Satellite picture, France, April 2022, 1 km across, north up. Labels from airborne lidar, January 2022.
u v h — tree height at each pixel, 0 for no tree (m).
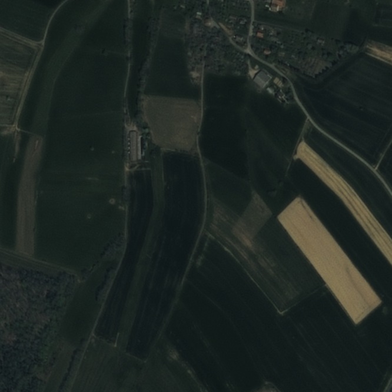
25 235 0
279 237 0
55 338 15
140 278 0
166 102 0
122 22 0
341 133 0
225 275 0
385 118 0
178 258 0
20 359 22
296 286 0
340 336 0
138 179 0
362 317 0
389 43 0
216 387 0
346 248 0
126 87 0
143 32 0
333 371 0
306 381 0
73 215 0
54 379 0
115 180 0
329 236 0
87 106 0
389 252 0
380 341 0
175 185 0
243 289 0
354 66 0
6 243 0
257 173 0
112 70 0
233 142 0
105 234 0
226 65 0
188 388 0
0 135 0
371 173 0
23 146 0
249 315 0
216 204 0
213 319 0
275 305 0
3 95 0
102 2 0
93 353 0
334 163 0
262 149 0
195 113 0
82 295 0
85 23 0
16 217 0
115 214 0
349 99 0
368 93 0
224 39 17
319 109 0
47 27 0
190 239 0
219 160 0
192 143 0
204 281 0
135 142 0
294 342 0
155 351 0
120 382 0
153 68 0
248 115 0
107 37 0
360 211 0
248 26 11
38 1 0
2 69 0
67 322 0
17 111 0
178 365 0
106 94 0
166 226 0
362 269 0
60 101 0
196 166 0
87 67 0
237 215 0
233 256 0
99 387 0
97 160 0
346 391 0
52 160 0
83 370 0
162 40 0
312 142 0
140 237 0
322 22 0
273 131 0
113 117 0
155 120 0
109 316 0
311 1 0
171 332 0
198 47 9
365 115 0
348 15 0
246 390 0
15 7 0
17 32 0
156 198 0
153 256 0
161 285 0
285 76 0
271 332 0
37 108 0
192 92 0
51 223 0
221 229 0
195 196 0
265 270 0
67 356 0
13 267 0
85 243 0
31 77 0
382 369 0
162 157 0
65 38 0
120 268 0
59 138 0
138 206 0
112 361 0
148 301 0
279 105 0
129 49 16
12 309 30
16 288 29
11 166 0
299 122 0
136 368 0
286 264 0
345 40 0
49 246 0
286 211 0
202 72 0
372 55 0
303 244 0
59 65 0
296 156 0
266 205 0
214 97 0
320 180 0
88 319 0
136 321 0
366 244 0
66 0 0
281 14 9
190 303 0
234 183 0
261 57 13
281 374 0
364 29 0
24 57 0
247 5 5
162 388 0
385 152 0
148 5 0
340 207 0
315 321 0
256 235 0
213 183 0
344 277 0
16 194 0
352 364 0
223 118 0
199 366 0
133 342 0
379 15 0
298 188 0
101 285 0
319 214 0
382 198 0
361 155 0
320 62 0
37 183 0
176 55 0
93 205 0
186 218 0
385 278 0
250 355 0
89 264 0
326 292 0
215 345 0
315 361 0
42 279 21
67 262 0
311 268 0
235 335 0
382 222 0
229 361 0
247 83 0
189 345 0
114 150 0
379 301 0
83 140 0
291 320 0
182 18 0
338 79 0
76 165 0
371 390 0
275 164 0
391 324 0
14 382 16
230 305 0
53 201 0
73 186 0
